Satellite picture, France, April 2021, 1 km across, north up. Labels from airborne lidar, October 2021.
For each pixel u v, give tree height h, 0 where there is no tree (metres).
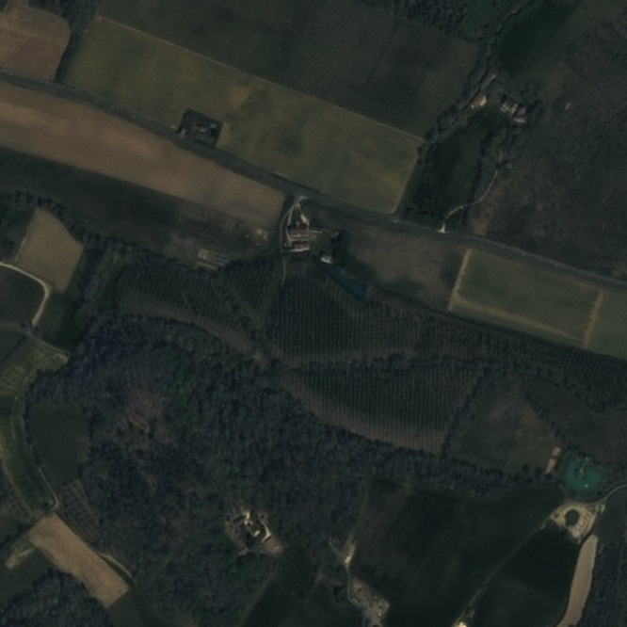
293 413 19
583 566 0
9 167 0
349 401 27
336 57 0
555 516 0
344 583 17
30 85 0
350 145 0
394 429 27
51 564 0
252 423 26
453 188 0
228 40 0
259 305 27
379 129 0
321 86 0
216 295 23
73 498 9
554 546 0
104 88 0
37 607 23
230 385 21
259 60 0
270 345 20
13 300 0
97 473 20
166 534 21
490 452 0
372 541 0
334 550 23
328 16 0
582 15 0
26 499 0
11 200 11
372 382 27
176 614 20
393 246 0
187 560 21
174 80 0
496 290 0
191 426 23
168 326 16
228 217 0
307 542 20
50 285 0
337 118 0
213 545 21
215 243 0
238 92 0
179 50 0
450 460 16
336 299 24
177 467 28
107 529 13
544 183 0
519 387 0
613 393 24
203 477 24
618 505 0
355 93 0
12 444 0
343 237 13
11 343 0
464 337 12
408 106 0
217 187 0
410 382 25
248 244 0
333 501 21
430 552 0
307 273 0
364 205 0
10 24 0
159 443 21
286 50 0
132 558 18
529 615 0
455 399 24
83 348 19
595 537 0
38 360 0
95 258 0
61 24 0
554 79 0
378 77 0
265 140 0
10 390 0
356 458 23
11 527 0
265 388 19
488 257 0
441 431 22
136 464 19
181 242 0
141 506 26
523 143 17
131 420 20
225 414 23
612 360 10
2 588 0
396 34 0
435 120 0
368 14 0
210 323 25
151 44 0
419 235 0
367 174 0
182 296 26
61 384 21
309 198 0
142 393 19
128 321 13
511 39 0
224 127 0
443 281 0
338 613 0
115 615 0
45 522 0
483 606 0
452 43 0
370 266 0
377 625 0
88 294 29
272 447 27
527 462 0
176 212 0
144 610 0
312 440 25
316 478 22
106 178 0
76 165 0
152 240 0
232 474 19
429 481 16
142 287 28
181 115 0
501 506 0
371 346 23
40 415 0
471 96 14
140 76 0
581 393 20
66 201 0
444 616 0
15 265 0
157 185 0
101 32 0
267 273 25
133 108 0
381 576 7
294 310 26
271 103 0
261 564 16
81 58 0
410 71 0
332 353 26
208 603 19
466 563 0
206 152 0
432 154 6
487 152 15
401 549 0
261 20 0
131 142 0
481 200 16
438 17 13
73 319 6
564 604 0
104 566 0
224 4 0
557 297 0
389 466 21
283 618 0
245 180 0
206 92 0
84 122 0
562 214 0
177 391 20
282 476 30
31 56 0
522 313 0
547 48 0
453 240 0
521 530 0
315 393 28
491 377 20
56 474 0
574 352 10
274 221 0
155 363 18
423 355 18
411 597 0
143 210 0
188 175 0
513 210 6
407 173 0
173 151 0
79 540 0
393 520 0
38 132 0
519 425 0
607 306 0
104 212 0
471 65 0
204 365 14
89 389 19
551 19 0
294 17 0
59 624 20
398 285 0
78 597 26
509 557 0
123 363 17
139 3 0
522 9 13
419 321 21
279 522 12
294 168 0
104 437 19
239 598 19
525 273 0
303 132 0
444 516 0
